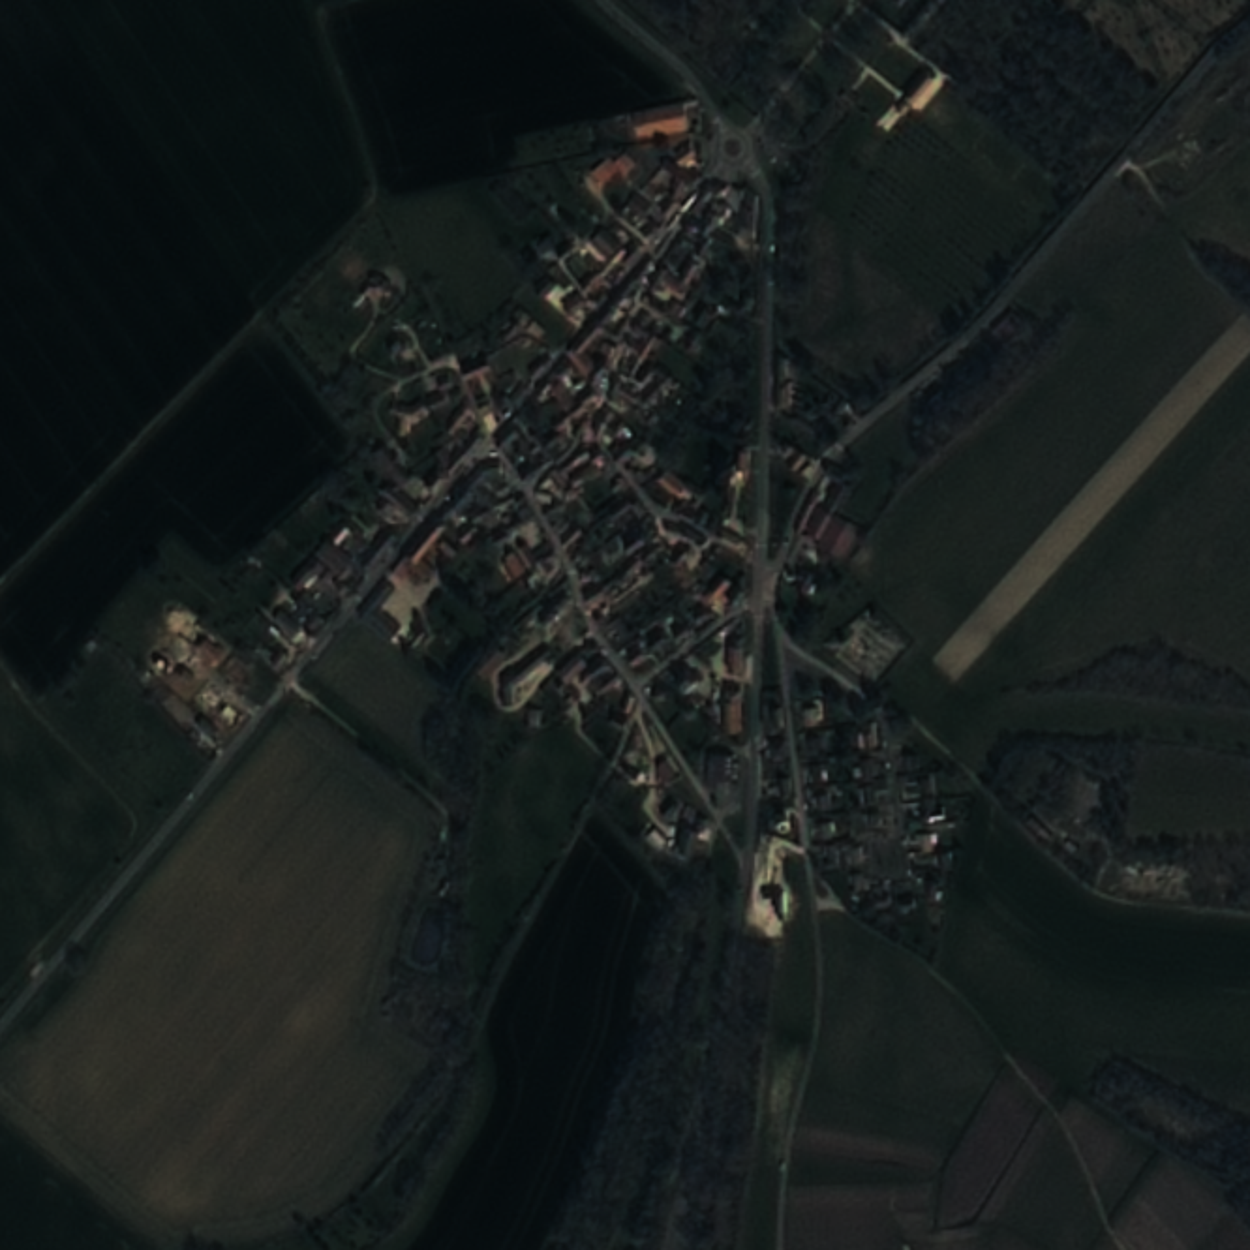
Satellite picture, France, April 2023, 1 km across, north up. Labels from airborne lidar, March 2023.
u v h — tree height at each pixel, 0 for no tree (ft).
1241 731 0
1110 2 0
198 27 0
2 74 0
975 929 0
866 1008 0
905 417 0
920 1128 0
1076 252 0
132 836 0
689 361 0
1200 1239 0
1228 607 0
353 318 0
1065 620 0
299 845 0
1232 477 0
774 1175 0
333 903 0
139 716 0
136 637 0
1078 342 0
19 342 0
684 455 45
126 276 0
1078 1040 0
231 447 0
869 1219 0
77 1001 0
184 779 0
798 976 0
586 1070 0
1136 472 0
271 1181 0
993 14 83
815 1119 0
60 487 0
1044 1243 0
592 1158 69
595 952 0
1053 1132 0
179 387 0
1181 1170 0
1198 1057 0
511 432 0
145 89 0
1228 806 0
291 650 0
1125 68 65
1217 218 0
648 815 0
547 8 0
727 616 0
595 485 0
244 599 0
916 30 67
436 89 0
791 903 0
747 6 83
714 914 0
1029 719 0
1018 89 71
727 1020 45
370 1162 0
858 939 0
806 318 0
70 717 0
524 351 0
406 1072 0
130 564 0
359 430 0
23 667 0
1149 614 0
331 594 0
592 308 0
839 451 0
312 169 0
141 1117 0
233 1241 0
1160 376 0
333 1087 0
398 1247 0
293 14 0
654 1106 59
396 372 27
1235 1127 26
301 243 0
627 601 0
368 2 0
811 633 42
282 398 0
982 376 66
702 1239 42
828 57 0
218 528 0
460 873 55
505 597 28
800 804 0
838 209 0
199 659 0
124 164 0
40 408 0
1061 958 0
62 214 0
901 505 0
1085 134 50
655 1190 52
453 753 63
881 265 0
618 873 0
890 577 0
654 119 0
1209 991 0
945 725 0
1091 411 0
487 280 0
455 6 0
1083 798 0
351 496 49
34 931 0
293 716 0
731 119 0
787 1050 0
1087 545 0
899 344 0
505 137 0
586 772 0
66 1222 0
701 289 26
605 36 0
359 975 0
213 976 0
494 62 0
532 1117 0
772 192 0
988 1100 0
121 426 0
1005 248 0
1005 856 0
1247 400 0
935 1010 0
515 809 0
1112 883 0
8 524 0
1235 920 0
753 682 0
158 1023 0
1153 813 0
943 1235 0
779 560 0
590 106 0
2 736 0
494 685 0
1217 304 0
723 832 0
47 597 0
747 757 0
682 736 0
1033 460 0
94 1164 0
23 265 0
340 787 0
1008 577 0
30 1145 0
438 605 22
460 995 41
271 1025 0
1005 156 0
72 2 0
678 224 0
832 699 44
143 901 0
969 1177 0
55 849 0
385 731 0
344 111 0
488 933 0
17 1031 0
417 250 0
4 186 0
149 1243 0
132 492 0
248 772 0
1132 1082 29
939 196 0
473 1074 68
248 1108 0
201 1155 0
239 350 0
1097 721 0
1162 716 0
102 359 0
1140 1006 0
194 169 0
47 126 0
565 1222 43
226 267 0
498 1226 0
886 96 0
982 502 0
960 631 0
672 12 82
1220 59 29
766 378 0
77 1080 0
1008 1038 0
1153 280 0
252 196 0
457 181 0
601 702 24
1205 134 0
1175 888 0
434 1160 46
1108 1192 0
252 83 0
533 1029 0
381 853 0
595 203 0
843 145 0
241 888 0
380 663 0
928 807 0
